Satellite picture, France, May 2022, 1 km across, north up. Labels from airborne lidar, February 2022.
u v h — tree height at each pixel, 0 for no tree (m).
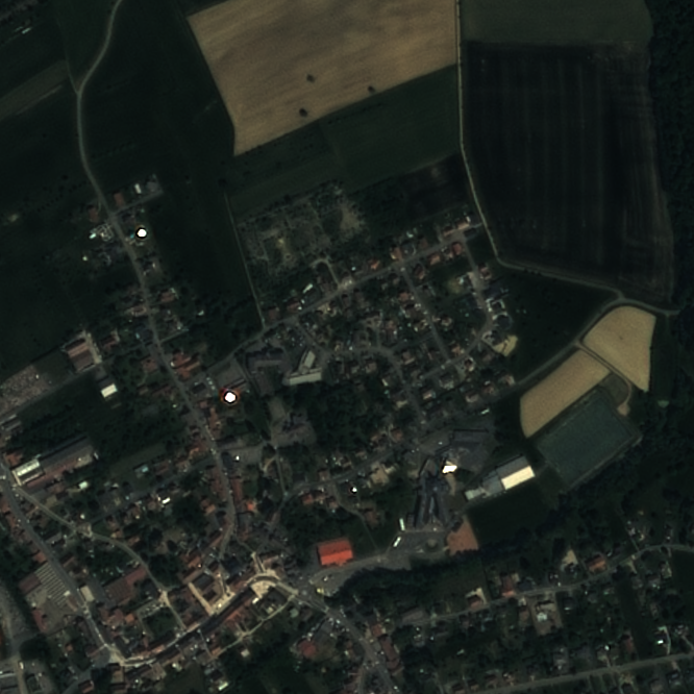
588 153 0
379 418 7
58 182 0
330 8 0
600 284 0
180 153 0
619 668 0
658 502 0
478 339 0
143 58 0
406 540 0
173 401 0
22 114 0
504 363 10
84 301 0
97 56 0
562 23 0
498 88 0
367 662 0
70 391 0
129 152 0
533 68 0
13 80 0
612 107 0
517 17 0
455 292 0
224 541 0
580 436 0
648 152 0
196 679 0
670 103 20
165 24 0
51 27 0
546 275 0
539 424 0
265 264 0
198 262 0
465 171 0
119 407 0
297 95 0
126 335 0
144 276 0
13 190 0
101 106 0
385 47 0
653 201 0
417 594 20
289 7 0
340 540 0
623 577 12
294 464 7
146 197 0
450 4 0
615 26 0
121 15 0
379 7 0
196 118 0
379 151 0
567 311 0
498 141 0
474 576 0
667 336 0
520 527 0
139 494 0
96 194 0
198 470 0
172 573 15
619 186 0
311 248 0
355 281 0
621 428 0
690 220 26
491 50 0
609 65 0
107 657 0
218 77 0
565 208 0
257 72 0
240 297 0
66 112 0
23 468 0
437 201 0
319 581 0
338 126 0
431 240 0
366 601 18
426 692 0
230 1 0
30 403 0
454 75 0
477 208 0
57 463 0
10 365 0
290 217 0
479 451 0
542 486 0
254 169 0
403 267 0
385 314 0
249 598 0
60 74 0
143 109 0
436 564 0
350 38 0
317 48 0
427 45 0
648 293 0
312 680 0
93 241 0
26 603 7
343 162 0
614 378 0
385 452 0
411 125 0
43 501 0
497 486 0
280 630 0
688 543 9
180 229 0
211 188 0
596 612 0
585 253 0
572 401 0
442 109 0
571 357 0
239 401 0
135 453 0
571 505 19
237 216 0
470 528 0
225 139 0
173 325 0
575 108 0
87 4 0
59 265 0
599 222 0
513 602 10
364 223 0
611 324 0
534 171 0
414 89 0
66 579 0
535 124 0
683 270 0
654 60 12
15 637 0
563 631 10
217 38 0
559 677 0
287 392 11
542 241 0
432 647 15
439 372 0
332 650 0
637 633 0
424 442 0
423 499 0
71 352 0
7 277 0
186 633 0
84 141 0
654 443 18
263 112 0
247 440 0
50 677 0
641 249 0
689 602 0
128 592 0
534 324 0
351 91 0
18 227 0
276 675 0
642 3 0
